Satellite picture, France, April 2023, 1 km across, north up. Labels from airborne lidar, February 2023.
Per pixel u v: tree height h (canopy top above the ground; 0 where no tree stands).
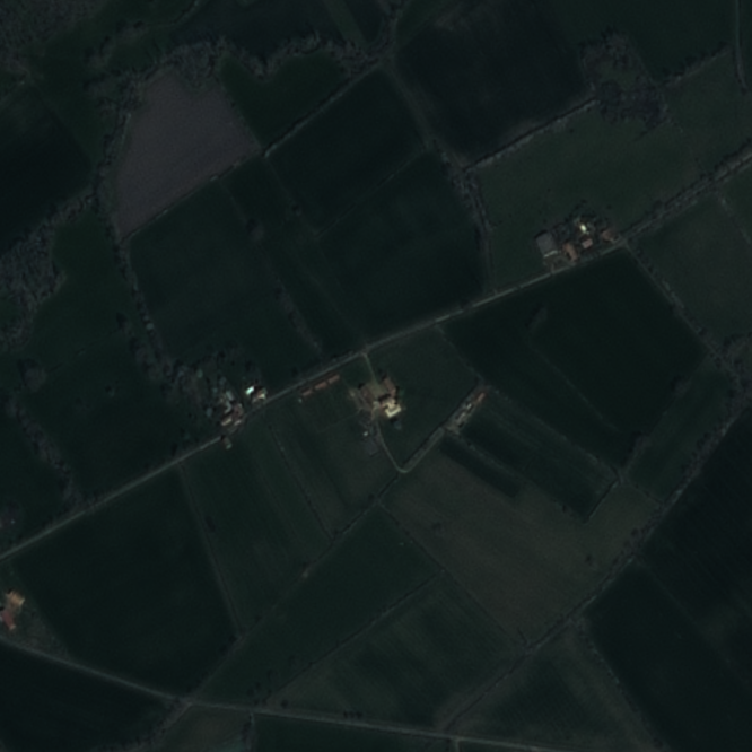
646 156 0
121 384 0
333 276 0
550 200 0
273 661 0
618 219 0
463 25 0
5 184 0
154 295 0
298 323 14
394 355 0
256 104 0
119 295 0
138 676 0
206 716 0
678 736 0
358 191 0
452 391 0
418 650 0
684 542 0
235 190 0
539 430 0
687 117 0
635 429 0
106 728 0
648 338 0
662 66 0
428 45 0
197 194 0
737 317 0
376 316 0
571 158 0
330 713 0
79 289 0
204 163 0
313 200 0
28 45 9
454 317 0
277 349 0
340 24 0
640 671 0
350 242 0
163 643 0
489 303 0
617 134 0
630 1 0
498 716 0
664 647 0
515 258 0
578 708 0
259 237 19
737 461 0
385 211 0
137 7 0
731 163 10
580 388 0
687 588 0
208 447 0
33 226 0
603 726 0
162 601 0
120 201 0
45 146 0
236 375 0
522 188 0
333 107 0
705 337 14
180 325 0
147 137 0
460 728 0
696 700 0
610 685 0
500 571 0
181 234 0
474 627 0
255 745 17
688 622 0
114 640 0
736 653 0
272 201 0
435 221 0
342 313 0
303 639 0
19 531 0
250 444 0
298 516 0
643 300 0
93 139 0
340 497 0
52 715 0
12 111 0
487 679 0
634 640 0
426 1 0
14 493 0
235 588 0
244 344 0
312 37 13
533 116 0
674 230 0
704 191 8
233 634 0
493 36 0
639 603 0
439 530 11
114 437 0
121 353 0
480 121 0
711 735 0
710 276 0
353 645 0
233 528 0
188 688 0
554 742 0
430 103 0
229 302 0
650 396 0
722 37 0
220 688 0
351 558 0
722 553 0
